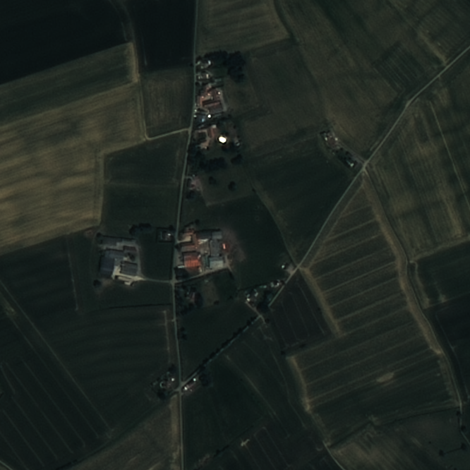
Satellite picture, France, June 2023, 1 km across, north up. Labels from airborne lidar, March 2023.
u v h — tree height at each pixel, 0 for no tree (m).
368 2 0
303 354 0
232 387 0
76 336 0
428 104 0
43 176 0
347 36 0
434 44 0
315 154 0
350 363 0
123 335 0
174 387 0
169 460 0
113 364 0
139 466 0
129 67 0
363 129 0
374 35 0
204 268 0
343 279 0
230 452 0
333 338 0
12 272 0
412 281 0
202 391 0
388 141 0
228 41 0
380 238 0
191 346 0
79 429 0
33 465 0
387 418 0
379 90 0
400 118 0
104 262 0
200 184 0
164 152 0
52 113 0
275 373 0
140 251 0
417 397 0
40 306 0
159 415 0
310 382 0
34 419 0
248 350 0
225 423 0
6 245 0
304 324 0
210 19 0
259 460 0
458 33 0
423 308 0
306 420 0
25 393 0
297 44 0
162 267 0
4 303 0
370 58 0
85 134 0
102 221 0
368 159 0
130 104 0
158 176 0
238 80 12
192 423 0
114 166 0
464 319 0
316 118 0
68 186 0
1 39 0
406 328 0
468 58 0
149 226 12
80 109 0
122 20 0
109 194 0
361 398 0
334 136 0
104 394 0
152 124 0
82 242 0
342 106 0
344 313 0
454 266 0
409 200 0
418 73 0
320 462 0
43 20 0
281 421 0
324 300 0
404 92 0
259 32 0
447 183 0
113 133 0
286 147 0
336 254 0
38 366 0
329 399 0
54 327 0
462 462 0
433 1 0
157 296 0
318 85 0
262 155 0
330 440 0
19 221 0
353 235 0
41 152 0
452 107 0
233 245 0
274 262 0
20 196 0
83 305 0
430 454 0
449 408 0
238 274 0
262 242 0
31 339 0
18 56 0
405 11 0
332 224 0
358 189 0
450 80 0
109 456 0
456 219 0
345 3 0
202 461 0
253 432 0
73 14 0
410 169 0
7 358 0
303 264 0
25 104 0
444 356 0
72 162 0
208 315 0
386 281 0
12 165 0
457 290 0
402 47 0
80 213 0
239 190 0
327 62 0
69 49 0
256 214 0
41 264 0
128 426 0
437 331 0
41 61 0
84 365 0
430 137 0
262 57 0
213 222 0
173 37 0
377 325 0
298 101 0
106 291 0
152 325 0
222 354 0
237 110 0
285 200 0
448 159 0
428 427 0
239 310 0
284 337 0
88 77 0
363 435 0
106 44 0
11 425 0
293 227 0
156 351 0
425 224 0
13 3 0
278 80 0
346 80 0
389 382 0
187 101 0
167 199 0
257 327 0
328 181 0
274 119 0
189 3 0
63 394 0
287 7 0
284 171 0
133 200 0
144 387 0
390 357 0
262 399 0
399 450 0
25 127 0
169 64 0
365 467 0
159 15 0
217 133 0
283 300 0
